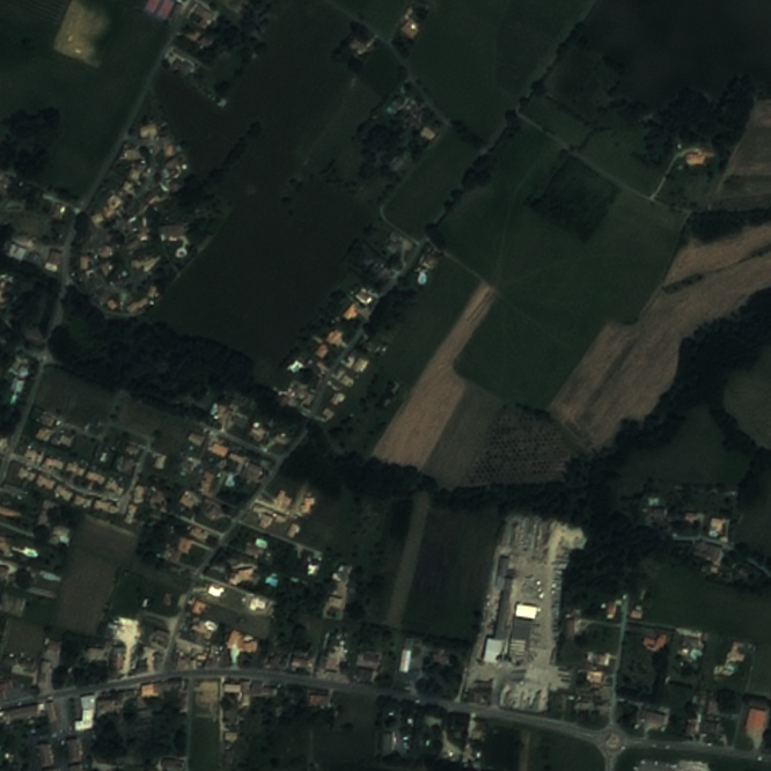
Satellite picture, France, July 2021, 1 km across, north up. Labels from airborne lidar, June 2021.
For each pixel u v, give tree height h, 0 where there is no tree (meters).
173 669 0
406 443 0
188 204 10
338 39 0
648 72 0
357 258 13
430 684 14
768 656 0
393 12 0
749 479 17
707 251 0
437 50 0
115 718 8
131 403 0
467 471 0
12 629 0
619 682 6
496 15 0
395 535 6
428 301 0
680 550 9
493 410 0
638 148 0
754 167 0
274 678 0
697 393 18
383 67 0
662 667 19
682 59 0
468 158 0
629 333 0
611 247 0
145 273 0
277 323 0
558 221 5
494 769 0
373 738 0
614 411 0
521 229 0
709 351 21
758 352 11
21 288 25
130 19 0
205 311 0
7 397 0
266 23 15
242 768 8
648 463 0
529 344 0
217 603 0
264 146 0
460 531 0
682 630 0
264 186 0
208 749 0
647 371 0
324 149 0
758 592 11
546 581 0
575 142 0
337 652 0
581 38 5
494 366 0
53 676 10
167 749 7
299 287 0
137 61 0
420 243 0
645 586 0
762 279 0
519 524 0
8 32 0
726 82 0
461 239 0
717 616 0
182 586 0
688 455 0
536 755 0
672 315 0
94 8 0
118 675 0
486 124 0
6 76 0
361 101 0
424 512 0
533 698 0
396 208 0
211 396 0
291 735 0
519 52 0
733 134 6
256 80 0
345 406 0
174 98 0
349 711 0
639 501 11
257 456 8
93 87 0
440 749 8
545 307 0
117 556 0
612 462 16
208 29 8
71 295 15
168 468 0
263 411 6
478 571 0
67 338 6
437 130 7
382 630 8
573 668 0
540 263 0
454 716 10
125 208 7
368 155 10
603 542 12
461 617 0
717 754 0
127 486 0
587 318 0
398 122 7
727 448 13
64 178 0
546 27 0
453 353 0
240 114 0
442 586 0
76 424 0
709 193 0
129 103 0
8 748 7
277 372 0
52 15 0
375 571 0
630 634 8
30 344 13
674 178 8
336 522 0
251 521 0
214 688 0
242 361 25
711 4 0
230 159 6
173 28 0
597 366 0
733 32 0
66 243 0
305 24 0
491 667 0
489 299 0
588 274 0
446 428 0
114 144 0
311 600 22
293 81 0
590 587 12
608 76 0
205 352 22
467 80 0
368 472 23
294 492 0
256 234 0
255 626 0
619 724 7
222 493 12
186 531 9
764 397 0
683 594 0
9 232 10
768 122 0
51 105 0
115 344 17
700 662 7
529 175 0
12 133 8
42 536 11
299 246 0
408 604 0
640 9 0
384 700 13
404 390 0
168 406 11
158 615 0
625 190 0
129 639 0
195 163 0
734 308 0
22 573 12
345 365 0
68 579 0
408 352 0
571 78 0
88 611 0
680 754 0
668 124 16
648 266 0
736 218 14
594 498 12
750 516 0
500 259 0
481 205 0
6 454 0
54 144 0
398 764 12
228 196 0
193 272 0
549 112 0
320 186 0
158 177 7
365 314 0
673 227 0
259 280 0
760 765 0
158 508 7
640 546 14
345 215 0
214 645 0
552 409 0
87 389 0
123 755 10
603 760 0
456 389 0
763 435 0
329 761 0
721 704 7
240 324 0
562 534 0
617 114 14
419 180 0
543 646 0
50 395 0
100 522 0
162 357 29
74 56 0
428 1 0
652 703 16
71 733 0
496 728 0
